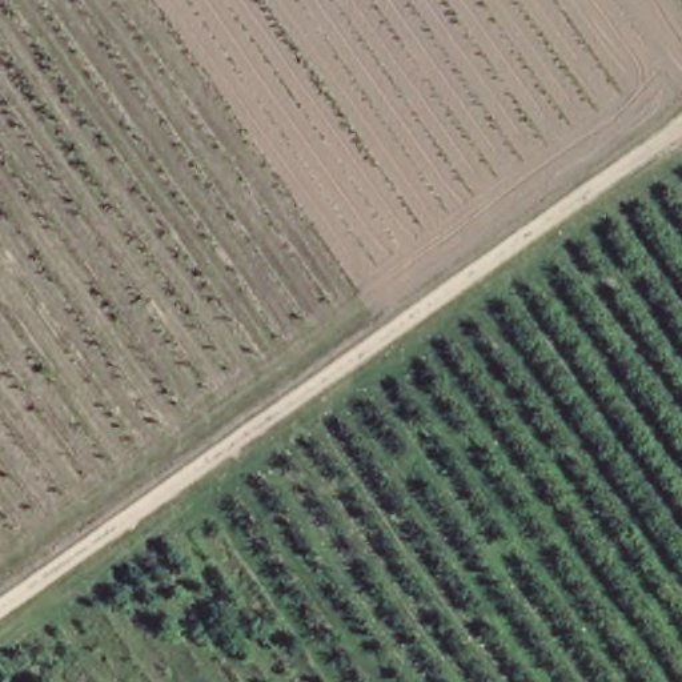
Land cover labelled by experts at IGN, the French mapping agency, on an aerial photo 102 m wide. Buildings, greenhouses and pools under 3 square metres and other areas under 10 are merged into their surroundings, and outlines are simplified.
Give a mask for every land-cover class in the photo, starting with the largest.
<instances>
[{"label":"herbaceous vegetation","instance_id":"1","mask_svg":"<svg viewBox=\"0 0 682 682\"><path fill-rule=\"evenodd\" d=\"M13 64H19L27 80L32 83L37 93L35 99L27 101L21 91L11 83L5 69ZM440 285L432 282L421 288L405 304L389 312L365 306L360 288L338 264L336 253L320 234V229L301 213L296 194L285 186L282 176L272 171L266 157L258 155L256 147L248 141V131L234 117L229 101L218 91V85L210 83L208 69L200 67L194 53L186 48L181 32L173 27L168 13L155 0H0V597L32 573H37L40 567H45L59 554H64L69 546L83 541L101 522L112 519L131 504H136L141 496H147L152 488L165 482L171 474L192 464L210 445L229 437L253 416L274 405L288 392H293L298 384L309 381L333 360L346 354L352 346L365 341L370 333L400 317L405 309L418 304ZM69 306H80L88 320V328L96 330V338L109 344V354L117 365L120 381L107 378L104 360L93 346H85L77 325L67 317ZM682 123V101L663 117L650 123L645 131H639L623 149L610 155L613 163L629 155L634 147L645 144L658 131H663L669 123ZM658 202L666 221L682 232V147L669 157H653L634 173L623 176L618 184L605 189L594 202L583 205L570 218H565L562 224L541 234L535 242L522 248L517 256L496 266L488 277H482L461 296L440 306L434 314L421 320L416 328H410L405 336L384 346L365 365L338 378L336 384L314 394L309 402H304L296 413L285 416L269 432L248 442L237 458H229L213 472H208L202 480L181 490L176 498L165 501L152 514H147L133 530H125L120 538H115L112 543L83 559L77 567L64 573L59 581L45 586L40 594H35L32 599H27L24 605L0 618V650L5 653V658H16L13 645L29 642L45 626H56L61 642L67 645V653L51 669L45 682H426L424 674L408 658L405 645H400L392 637V631L376 618L370 599L354 586L349 575V562L357 559L365 562V567L370 570V581L384 589L386 602L397 607V615L402 618L408 634H413L421 650L434 661V666H440L445 682H466L456 669L453 658L445 655L432 637L429 626L437 623L440 615L450 621L456 642L464 645V650L488 677V682H506L488 647L477 639L485 623L496 629L498 645L522 669V674H527L530 682H551L549 674L538 669L527 650L517 642L506 618L496 613L493 602L474 581V573L464 567L458 554L450 549L448 538L440 533L437 522L421 509L416 496L424 493L426 485L437 490L440 501L448 506V512L461 525V533L480 554V562L490 570V578L498 581L501 591L509 597L519 618L527 621L530 631L538 637L541 647L551 655V661L562 669L567 682H586L578 666L573 663L570 653L551 634L549 623L519 591L517 581L512 578V570L504 565V557L509 554H517L522 559V567L533 575L541 597L551 605L559 621L578 634V639L586 645V653L591 655V666H599L610 682H645L639 666H631L623 658V642L615 639L607 629V621L591 610V599L583 597L581 583L570 581L567 565L559 559V549L549 543V535L541 525H535L525 501L512 488H506L501 474L493 472L488 450L477 445L472 429L464 426V421L453 413V405L440 397V389L434 384L448 373L453 376L456 386L469 397L477 416L498 440L509 461L525 474L535 498L549 506L554 522L565 530L570 546L578 551L589 573L597 578L605 597L615 605L623 621L645 642L647 653L655 658L669 682H682V669H674L666 647L658 642V634H653L645 618L634 613L631 602H626L615 578L607 573V565L597 559L594 549L586 543V535L578 530L570 509L559 506L557 493L538 474L535 464L522 450V445L509 434L506 426L498 424L490 397L461 368V357L474 349L482 357L488 373L504 386L506 397L514 402L519 418L527 424L533 437L557 458L554 464L573 485L575 496L591 514V519L599 525L602 535L613 543L623 565L639 578V586L666 613L669 623L682 631V597L671 602L661 591L653 570H645L642 565V554L621 538L613 517H607L605 506L597 501V493L586 485V477L575 472V461L567 458L565 445L554 437L551 429L541 426V413L527 405V392L514 384V378H509L496 352L504 344H509L522 357L530 376L546 392L567 429L575 434L581 450L591 456V464L597 466L599 477L629 509V517L637 522L647 543L655 549L663 567L682 581V549L669 551L666 541L655 533L639 501L626 490L613 464L591 440V432L583 426L573 405L562 397L557 384L549 378L546 365L519 338L506 306L522 298L538 330L567 362L578 386L602 413L605 424L626 450V456L642 472L645 482L669 509V514H674L682 522V490L671 493L661 469L650 464L647 453L639 450L621 410L613 408L607 394L599 392L591 370H586L578 362L575 346L559 336L557 325L549 320L546 309L541 306V296L549 290L557 293L567 314L575 320V325L586 333L591 346L605 360L615 384L626 392L637 413L653 429L655 440L663 445V453L682 466V448L674 445L669 426L658 416L655 405L639 392L626 365L618 360L613 344L602 336L599 325L578 304L573 285L565 274L578 266L581 272L594 277L597 296L610 309L613 320L634 341L639 357L658 376L669 397H674L682 405V381H674L661 354L629 317V309L618 304V298L634 288L650 309L653 320L658 322V328L663 330V336L669 338V344L682 354V322H671L666 304L655 298V293L650 290V280H645L637 272L634 258L623 256L621 245L613 237V229L621 232L631 226L647 256L661 269V274L682 293V264L671 266L666 250L655 237L653 224L642 221V213ZM597 240L602 253L615 266V272L607 280L599 274V269H594V264L583 253ZM384 378H394L400 394L408 400V408L418 410L413 424L402 421L394 413L392 402L381 389ZM349 400L373 402L384 426L405 442V453H389L360 421ZM344 429L352 434L357 448L373 456L376 472L389 485L394 480H405L410 493L400 501L386 498L378 504L365 480L357 474L352 458L336 442V434H341ZM418 434L440 437V445L448 450V458L466 477L469 490L485 506L490 519L504 530V538L488 541L482 535L477 519L456 496L450 480L424 453ZM314 445L333 458V480H325L320 469L304 456ZM248 474H256L280 498V504L288 512V519L314 551V559L320 562L317 570H309L304 559L285 546L280 527L272 522V514L258 504L253 490L245 485ZM293 485H309L317 493L328 512V525H317L309 517L304 501L293 493ZM338 490H352L360 506L373 517V522L381 525L386 543L397 551V559L400 565H405L408 575L416 578L421 589L432 597L434 610L418 613L416 602L408 594H402V589L386 573L384 559L370 549L360 522L346 514ZM224 496L234 498V504L248 512L250 522L261 527V535L269 543L266 551L250 554V546L245 543L242 533L229 530V522L218 509ZM402 522H416L421 530H426L432 554L440 562H445V567L464 586V610H456L445 599L442 589L421 565L418 554L410 549V543L402 541ZM168 551L189 575L181 581V591L173 594L171 586H157L160 597L152 602H147L144 589L136 591L133 621L107 605L115 597L107 583L112 578H117L123 586L128 583V565H123L128 557L139 562V570L149 573L152 562L165 557ZM282 570L290 575V586H296L304 594L314 621L338 637L341 650H330L322 658H317L312 645L314 639H309L293 618L282 631L272 634V647L256 650V661L248 655L242 661H229L213 642L202 647L194 645V629L213 613H218L221 602H237V607L242 610L240 626L245 637H250L253 631L250 615L245 610L269 607L274 615L282 613V605L277 602L269 586V578L280 575ZM322 583H333L341 599H346L354 607V613L365 621L368 631H373V642H360L357 634H349L341 615L320 594Z\"/></svg>","mask_w":682,"mask_h":682},{"label":"clear cut","instance_id":"2","mask_svg":"<svg viewBox=\"0 0 682 682\"><path fill-rule=\"evenodd\" d=\"M168 13L173 27L181 32L186 48L194 53L200 67L208 69L210 83L218 85V91L229 101L234 117L248 131V141L256 147L258 155L266 157L272 171L282 176L285 186L296 194L301 213L320 229V234L336 253L338 264L360 288L365 306L389 312L405 304L421 288L432 282L440 285L456 277L469 264H474L477 258H482L504 240H509L525 224L535 221L541 213H546L551 205L565 200L570 192L591 181L594 176H599L613 163L610 155L623 149L639 131H645L650 123L663 117L682 101V0H559L562 8L570 11V16L583 29L586 40H591L602 61L610 67V72L618 77V83L610 88L602 72L594 67V61L575 45L567 24L549 0H522L527 13L541 24V29L549 35L559 56L565 59V64L578 75L581 85L599 104V109L594 112L575 96L573 85L551 64L549 53H543V45L535 40L530 27L517 16V8L509 5L512 0H376L402 37L400 43H392L384 27H378L376 13L365 5V0H266L280 24L301 48V56L309 59L325 88L338 99L349 123L360 131V139L376 157V165H365L362 157L354 152L352 141L346 139V133L338 128L330 107L314 93L304 69L293 64L288 48L274 37V32L266 27L264 16L256 11L250 0H155ZM517 56H525L527 64L535 67L538 80L554 93L557 104L565 109L570 123L557 120L546 99L533 91L530 80L517 67ZM504 91H514L525 112L541 125L538 141L533 139V131L517 120L512 104L504 99ZM485 115H493L498 120V125L522 152V163H517L506 152V147L498 141V133L488 128Z\"/></svg>","mask_w":682,"mask_h":682},{"label":"deciduous trees","instance_id":"3","mask_svg":"<svg viewBox=\"0 0 682 682\"><path fill-rule=\"evenodd\" d=\"M256 11L264 16L266 27L274 32V37L288 48L293 64L304 69L314 93L330 107L338 128L346 133V139L352 141L354 152L362 157L365 165H376V157L360 139V131L349 123L338 99L325 88L309 59L301 56V48L280 24L266 0H250ZM365 5L376 13L378 27H384L392 43H400L402 37L376 0H365ZM509 5L517 8V16L530 27L535 40L543 45V53H549L551 64L573 85L575 96L594 112L599 109V104L581 85L578 75L565 64V59L559 56L549 35L541 29V24L527 13L522 0H512ZM567 24L575 45L594 61V67L602 72L610 88L618 83V77L610 72V67L602 61L591 40H586L583 29L570 16V11L562 8L559 0H549ZM517 67L530 80L533 91L546 99L557 120L570 123L565 109L557 104L554 93L538 80L535 67L527 64L525 56H517ZM11 83L21 91L27 101L35 99L37 93L32 83L27 80L19 64H13L5 69ZM504 99L512 104L517 120L533 131V139L538 141L541 125L525 112L514 91H504ZM488 128L498 133V141L506 147V152L517 163H522V152L498 125V120L493 115H485ZM642 221L653 224L655 237L666 250L671 266L682 264V232L666 221L658 202L642 213ZM613 237L621 245L623 256L634 258L637 272L645 280H650V290L655 293V298L666 304L671 322H682V293L661 274V269L647 256L631 226L621 232L613 229ZM583 253L594 264V269H599V274L607 280L615 272V266L602 253L597 240ZM573 285L578 304L599 325L602 336L613 344L618 360L626 365L639 392L655 405L658 416L669 426L674 445L682 448V405L674 397H669L658 376L639 357L634 341L613 320L610 309L597 296L594 277L581 272L578 266L565 274ZM618 304L629 309V317L661 354L674 381H682V354L669 344V338L663 336V330L658 328V322L653 320L650 309L634 288L618 298ZM541 306L546 309L549 320L557 325L559 336L575 346L578 362L586 370H591L599 392L607 394L613 408L621 410L639 450L647 453L650 464L661 469L671 493L682 490V466L663 453V445L655 440L653 429L637 413L626 392L615 384L605 360L591 346L586 333L575 325V320L567 314L557 293L549 290L541 296ZM519 338L546 365L549 378L557 384L562 397L573 405L583 426L591 432V440L613 464L626 490L639 501L655 533L666 541L669 551L682 549V522L674 514H669V509L645 482L642 472L626 456V450L605 424L602 413L578 386L567 362L538 330L522 298L506 306ZM67 317L77 325L85 346H93L104 360L107 378L120 381L117 365L109 354V344L96 338V330L88 328V320L80 306H69ZM509 378H514V384L527 392V405L541 413V426L551 429L554 437L565 445L567 458L575 461V472L586 477V485L597 493V501L605 506L607 517H613L621 538L642 554V565L645 570H653L661 591L671 602L682 597V581L663 567L655 549L647 543L637 522L629 517V509L599 477L597 466L591 464V456L581 450L575 434L567 429L546 392L530 376L522 357L509 344H504L496 352ZM461 368L490 397L498 424L506 426L509 434L522 445V450L535 464L538 474L557 493L559 506L570 509L578 530L586 535V543L594 549L597 559L607 565V573L615 578L626 602H631L634 613L645 618L653 634H658V642L666 647L674 669H682V631L669 623L666 613L639 586V578L623 565L613 543L602 535L599 525L591 519V514L575 496L573 485L554 464L557 458L533 437L527 424L519 418L514 402L506 397L504 386L488 373L482 357L474 349L461 357ZM440 389V397L453 405V413L464 421V426L472 429L477 445L488 450L493 472L501 474L506 488H512L525 501L535 525H541L549 535V543L559 549V559L567 565L570 581L581 583L583 597L591 599V610L607 621V629L615 639L623 642V658L631 666H639L645 682H669L655 658L647 653L645 642L623 621L615 605L605 597L597 578L589 573L578 551L570 546L565 530L554 522L549 506L535 498L525 474L509 461L498 440L477 416L469 397L456 386L453 376L448 373L434 384ZM381 389L392 402L394 413L402 421L413 424L418 410L408 408V400L400 394L394 378H384ZM360 421L389 453H405V442L384 426L373 402L349 400ZM336 442L352 458L357 474L365 480L378 504L386 498L400 501L410 493L405 480H394L389 485L376 472L373 456L357 448L352 434L344 429L341 434H336ZM424 453L450 480L456 496L477 519L482 535L488 541L504 538V530L490 519L485 506L469 490L466 477L448 458V450L440 445V437L418 434ZM304 456L320 469L325 480H333V458L314 445ZM245 485L253 490L258 504L272 514V522L280 527L285 546L304 559L309 570H317L320 562L314 559V551L288 519V512L280 504V498L256 474H248ZM293 493L304 501L309 517L317 525H328V512L317 493L309 485H293ZM421 509L437 522L440 533L448 538L450 549L458 554L464 567L474 573V581L493 602L496 613L506 618L517 642L527 650L538 669L549 674L551 682H567L562 669L551 661V655L541 647L538 637L530 631L527 621L519 618L509 597L501 591L498 581L490 578V570L480 562V554L461 533V525L448 512V506L440 501L437 490L426 485L424 493L416 496ZM346 514L360 522L370 549L384 559L386 573L402 589V594H408L416 602L418 613L434 610L432 597L421 589L416 578L408 575L405 565H400L397 559V551L386 543L381 525L373 522V517L360 506L352 490H338ZM218 509L229 522V530L242 533L245 543L250 546V554L266 551L269 543L261 535V527L250 522L248 512L234 504V498L224 496ZM402 541L410 543V549L418 554L421 565L442 589L445 599L456 610H464V586L445 567V562H440L432 554L426 530H421L416 522H402ZM123 565H128V583L123 586L117 578H112L107 583L115 597L107 605L133 621L136 591L144 589L147 602H152L160 597L157 586H171L173 594L181 591V581L189 575L168 551L165 557L152 562L149 573L139 570V562L128 557ZM504 565L512 570V578L517 581L519 591L549 623L551 634L570 653L573 663L578 666L586 682H610L599 666H591V655L586 653V645L578 639V634L559 621L551 605L541 597L533 575L522 567V559L517 554H509L504 557ZM349 575L354 586L370 599L376 618L392 631V637L400 645H405L408 658L424 674L426 682H445L440 666H434V661L421 650L413 634H408L402 618L397 615V607L386 602L384 589L370 581V570L365 567V562L357 559L349 562ZM269 586L277 602L282 605V613L274 615L269 607L245 610L250 615L253 631L250 637H245L240 626L242 610L237 607V602H221L218 613H213L194 629V645L202 647L213 642L229 661H242L248 655L256 661V650L272 647V634L282 631L293 618L309 639H314L312 645L317 658H322L330 650H341L338 637L314 621L304 594L296 586H290V575L282 570L280 575L269 578ZM320 594L341 615L349 634H357L360 642H373V631H368L365 621L354 613V607L346 599H341L333 583H322ZM432 637L445 655L453 658L456 669L466 682H488V677L464 650V645L456 642L450 621L440 615L437 623L429 626ZM477 639L488 647L506 682H530L527 674H522V669L498 645L496 629L485 623ZM16 658H5V653L0 650V682H45L51 669L67 653V645L61 642L56 626H45L29 642L13 645Z\"/></svg>","mask_w":682,"mask_h":682},{"label":"pervious surface","instance_id":"4","mask_svg":"<svg viewBox=\"0 0 682 682\"><path fill-rule=\"evenodd\" d=\"M682 147V123H669L663 131H658L645 144L634 147L629 155L613 163L599 176H594L591 181L570 192L565 200L551 205L546 213H541L535 221L525 224L509 240H504L482 258H477L474 264H469L456 277L440 285L418 304L405 309L400 317L370 333L365 341L352 346L346 354L333 360L309 381L298 384L293 392H288L274 405L253 416L229 437L210 445L192 464L171 474L165 482L152 488L147 496H141L136 504H131L112 519L101 522L83 541L69 546L64 554H59L45 567H40L37 573H32L0 597V618L24 605L27 599H32L35 594H40L45 586L59 581L64 573L77 567L83 559L112 543L115 538H120L125 530H133L147 514H152L165 501L176 498L181 490L202 480L208 472H213L229 458H237L248 442L269 432L285 416L296 413L304 402H309L314 394L336 384L338 378L365 365L384 346L405 336L410 328H416L421 320L434 314L440 306L461 296L482 277H488L496 266L517 256L522 248L535 242L541 234L562 224L565 218H570L583 205L594 202L605 189L618 184L623 176L634 173L653 157H669Z\"/></svg>","mask_w":682,"mask_h":682}]
</instances>
